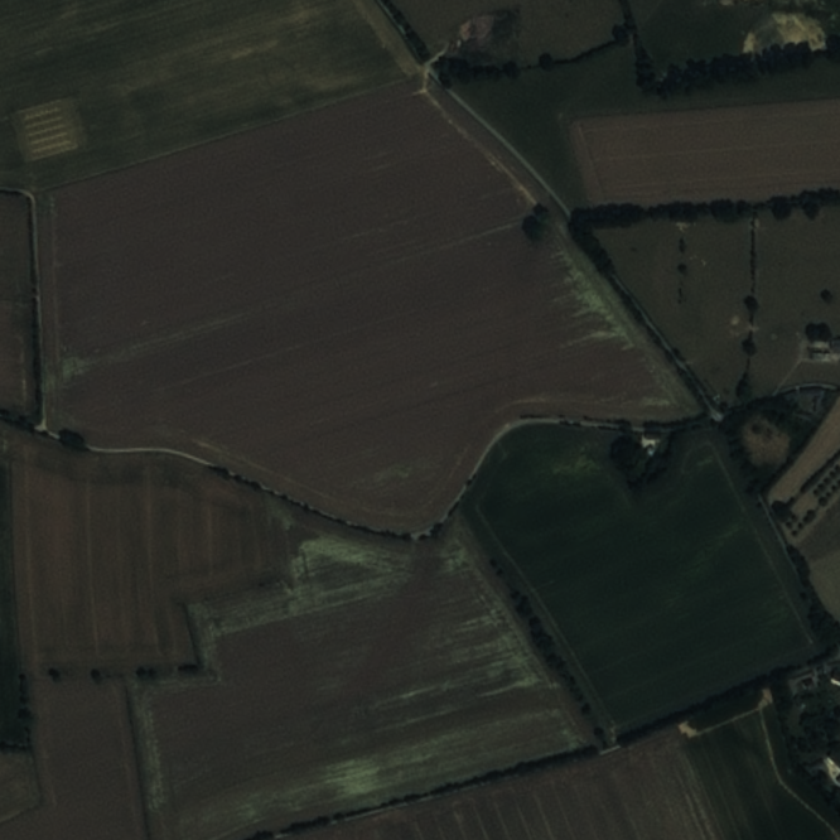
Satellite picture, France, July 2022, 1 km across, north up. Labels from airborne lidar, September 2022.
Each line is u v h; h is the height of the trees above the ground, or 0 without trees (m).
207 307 0
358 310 0
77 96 0
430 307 0
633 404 0
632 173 0
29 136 0
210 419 0
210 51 0
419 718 0
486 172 0
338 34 0
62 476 0
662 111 0
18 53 0
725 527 0
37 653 0
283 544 0
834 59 13
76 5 0
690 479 0
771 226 0
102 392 0
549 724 0
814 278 0
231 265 0
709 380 0
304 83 0
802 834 0
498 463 0
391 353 0
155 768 0
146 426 0
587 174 0
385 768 0
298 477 0
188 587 0
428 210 0
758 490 13
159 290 0
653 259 0
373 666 0
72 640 0
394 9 12
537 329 0
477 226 0
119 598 0
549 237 0
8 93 0
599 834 0
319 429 0
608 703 0
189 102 0
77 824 0
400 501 0
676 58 0
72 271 0
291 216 0
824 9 0
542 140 0
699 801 0
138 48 0
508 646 0
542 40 0
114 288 0
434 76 0
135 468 0
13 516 0
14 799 0
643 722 0
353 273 0
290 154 0
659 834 0
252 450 0
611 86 0
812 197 15
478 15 0
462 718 0
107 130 0
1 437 0
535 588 0
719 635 0
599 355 0
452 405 0
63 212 0
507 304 0
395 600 0
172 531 0
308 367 0
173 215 0
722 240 0
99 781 0
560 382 0
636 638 0
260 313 0
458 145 0
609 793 0
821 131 0
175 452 0
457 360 0
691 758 0
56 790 0
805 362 0
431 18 0
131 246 0
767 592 0
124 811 0
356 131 0
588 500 0
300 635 0
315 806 0
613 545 0
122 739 0
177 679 0
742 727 0
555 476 0
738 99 0
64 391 0
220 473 9
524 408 0
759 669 0
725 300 0
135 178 0
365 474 0
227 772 0
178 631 0
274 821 0
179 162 0
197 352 0
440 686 0
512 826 0
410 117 0
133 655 0
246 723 0
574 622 0
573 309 0
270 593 0
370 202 0
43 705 0
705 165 0
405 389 0
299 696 0
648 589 0
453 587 0
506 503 0
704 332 0
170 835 0
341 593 0
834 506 0
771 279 0
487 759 0
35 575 0
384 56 0
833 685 0
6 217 0
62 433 9
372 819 0
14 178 0
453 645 0
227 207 0
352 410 0
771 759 0
